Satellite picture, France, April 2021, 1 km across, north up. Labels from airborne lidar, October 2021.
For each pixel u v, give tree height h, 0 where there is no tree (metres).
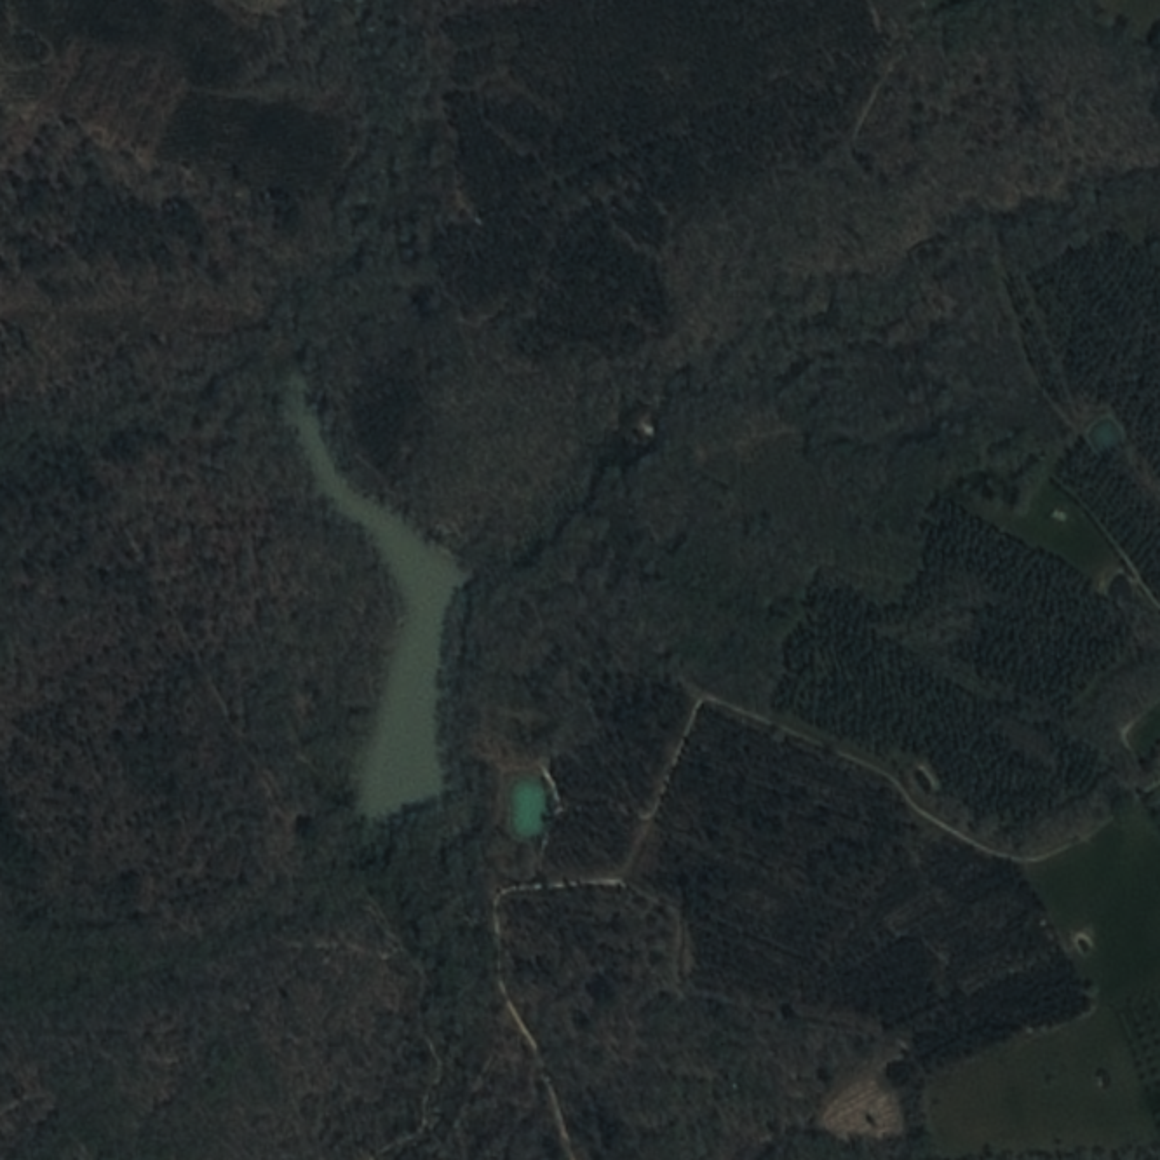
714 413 16
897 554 15
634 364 18
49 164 12
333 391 15
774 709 11
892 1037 15
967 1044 13
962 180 21
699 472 18
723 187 18
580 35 14
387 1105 18
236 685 15
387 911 17
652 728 18
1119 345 9
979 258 18
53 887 9
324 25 15
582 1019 16
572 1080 15
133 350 11
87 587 12
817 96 20
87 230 19
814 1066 14
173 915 7
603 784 19
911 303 19
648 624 16
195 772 11
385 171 9
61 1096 11
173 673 10
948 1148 0
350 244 22
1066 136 16
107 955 22
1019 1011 7
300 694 18
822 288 13
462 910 17
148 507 12
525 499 17
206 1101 15
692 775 11
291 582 12
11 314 7
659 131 15
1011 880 6
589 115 15
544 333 18
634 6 14
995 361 16
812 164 14
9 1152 9
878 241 17
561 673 19
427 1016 21
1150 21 0
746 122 17
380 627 23
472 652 18
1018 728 13
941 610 10
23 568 10
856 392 18
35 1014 18
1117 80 16
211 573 13
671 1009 18
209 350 16
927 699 10
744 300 16
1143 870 0
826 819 12
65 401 16
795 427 14
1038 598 12
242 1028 14
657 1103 22
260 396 24
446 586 0
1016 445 15
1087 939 0
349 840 17
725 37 15
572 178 9
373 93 22
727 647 14
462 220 11
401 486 16
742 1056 16
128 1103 15
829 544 16
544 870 11
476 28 15
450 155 9
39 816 6
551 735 13
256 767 8
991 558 14
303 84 21
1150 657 10
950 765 11
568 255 19
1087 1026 0
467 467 16
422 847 24
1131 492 14
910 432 7
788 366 23
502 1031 7
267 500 12
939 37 17
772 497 15
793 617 15
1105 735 12
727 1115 20
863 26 14
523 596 24
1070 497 8
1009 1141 0
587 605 16
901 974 11
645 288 17
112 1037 8
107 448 18
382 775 0
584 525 23
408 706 0
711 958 11
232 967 14
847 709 13
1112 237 7
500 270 18
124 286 13
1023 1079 0
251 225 13
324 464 0
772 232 19
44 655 14
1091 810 15
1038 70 15
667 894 11
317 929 22
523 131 14
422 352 13
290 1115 15
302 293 23
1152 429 15
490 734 21
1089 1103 0
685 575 22
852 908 9
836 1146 17
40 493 6
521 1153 16
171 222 17
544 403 18
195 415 20
